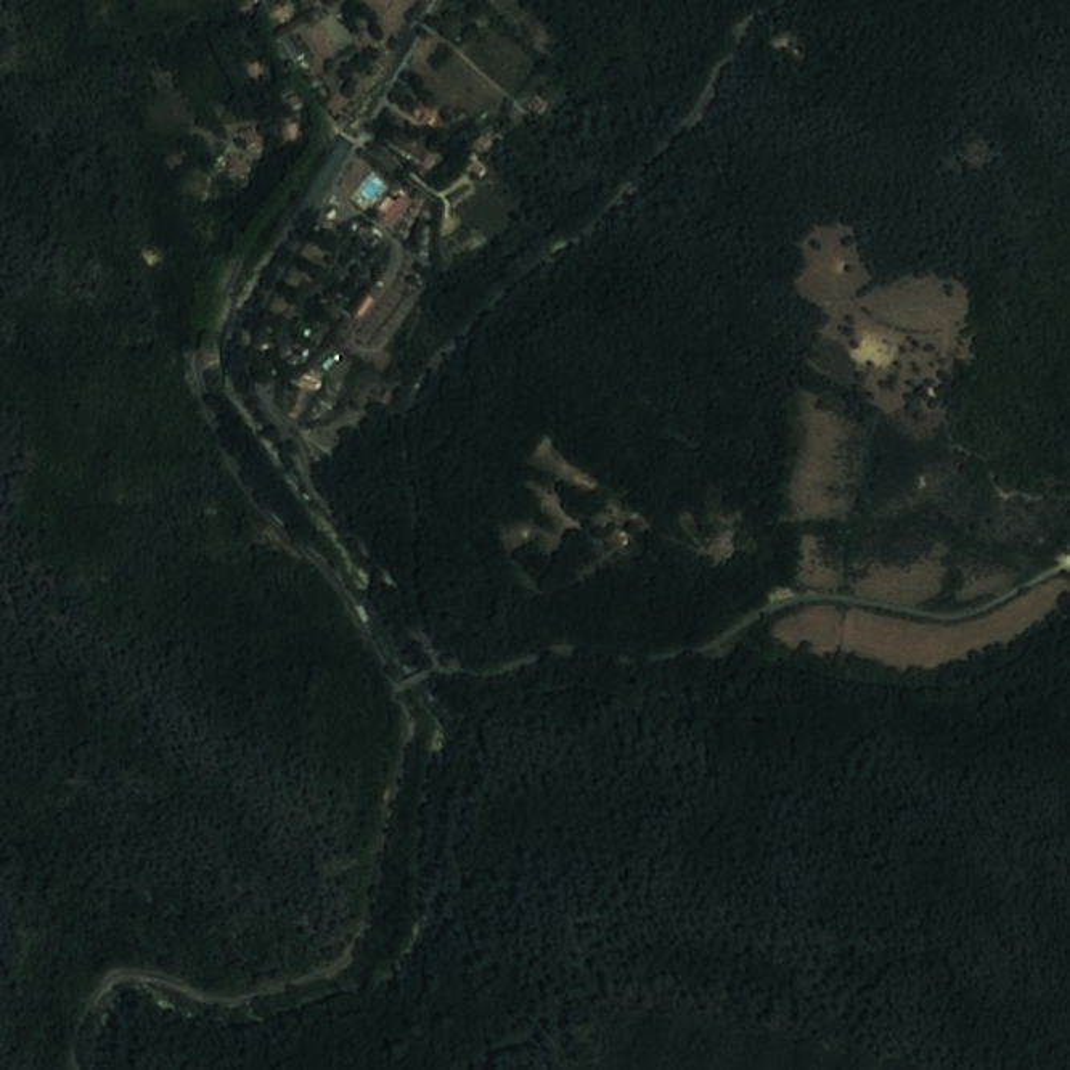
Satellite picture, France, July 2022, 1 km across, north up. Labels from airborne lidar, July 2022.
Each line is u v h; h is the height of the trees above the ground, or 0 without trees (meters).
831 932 24
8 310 14
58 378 18
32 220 13
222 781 12
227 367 15
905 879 29
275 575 16
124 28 8
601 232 8
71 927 15
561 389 19
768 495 21
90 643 20
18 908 11
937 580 0
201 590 16
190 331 7
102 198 15
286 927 7
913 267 12
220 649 21
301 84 18
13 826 8
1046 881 29
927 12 16
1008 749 23
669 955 7
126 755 16
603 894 25
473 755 15
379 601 24
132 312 16
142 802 6
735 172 15
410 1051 16
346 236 8
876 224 12
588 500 11
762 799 23
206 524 6
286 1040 21
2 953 26
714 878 23
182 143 10
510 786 24
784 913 23
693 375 17
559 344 14
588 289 15
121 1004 6
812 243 9
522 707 23
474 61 0
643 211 13
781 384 17
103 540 17
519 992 17
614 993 6
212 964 13
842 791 25
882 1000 24
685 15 14
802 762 20
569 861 18
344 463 20
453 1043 19
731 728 30
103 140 14
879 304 0
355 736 20
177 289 14
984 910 20
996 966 24
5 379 12
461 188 0
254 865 8
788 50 7
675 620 15
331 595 16
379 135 14
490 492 19
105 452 15
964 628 0
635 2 23
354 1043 19
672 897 22
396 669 20
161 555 16
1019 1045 21
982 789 29
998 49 12
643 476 16
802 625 0
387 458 22
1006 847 20
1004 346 9
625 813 14
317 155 20
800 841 23
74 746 16
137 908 19
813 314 15
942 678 18
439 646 18
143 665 23
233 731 17
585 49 17
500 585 20
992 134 13
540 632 16
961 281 14
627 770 26
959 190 13
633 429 13
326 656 22
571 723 16
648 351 17
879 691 12
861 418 12
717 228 11
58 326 18
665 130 17
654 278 11
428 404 14
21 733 17
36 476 11
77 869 15
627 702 12
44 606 10
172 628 18
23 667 25
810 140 15
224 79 6
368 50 14
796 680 14
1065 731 16
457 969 17
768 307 14
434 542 24
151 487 16
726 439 17
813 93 7
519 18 0
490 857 18
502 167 16
